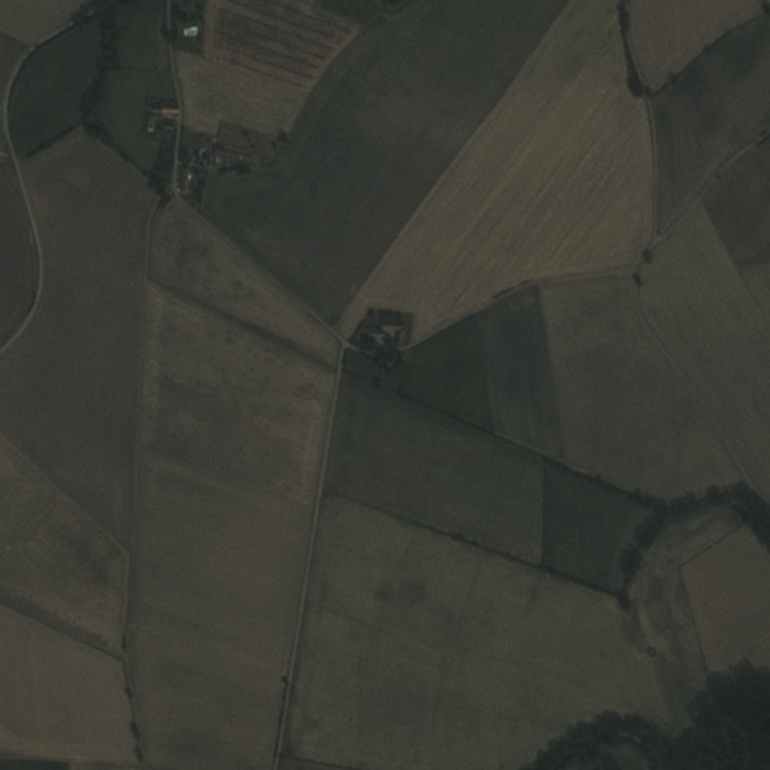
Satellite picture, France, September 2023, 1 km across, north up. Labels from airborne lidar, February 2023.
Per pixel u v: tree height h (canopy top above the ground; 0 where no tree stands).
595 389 0
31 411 0
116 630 0
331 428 0
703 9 0
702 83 0
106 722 0
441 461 0
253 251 0
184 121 0
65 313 0
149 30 0
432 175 0
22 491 0
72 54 0
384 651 0
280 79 0
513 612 0
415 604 0
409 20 0
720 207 0
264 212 0
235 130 0
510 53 0
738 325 0
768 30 0
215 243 0
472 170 0
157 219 0
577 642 0
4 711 0
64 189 0
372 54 0
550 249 0
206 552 0
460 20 0
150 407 0
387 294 0
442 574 0
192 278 0
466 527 0
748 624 0
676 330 0
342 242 0
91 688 0
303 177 0
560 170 0
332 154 0
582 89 0
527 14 0
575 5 0
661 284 0
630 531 0
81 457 0
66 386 0
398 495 0
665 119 0
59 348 0
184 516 0
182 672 0
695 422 0
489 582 0
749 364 0
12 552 0
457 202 0
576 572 0
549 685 0
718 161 0
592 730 15
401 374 0
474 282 0
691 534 0
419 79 0
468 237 0
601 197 0
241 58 0
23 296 0
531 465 0
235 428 0
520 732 0
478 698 0
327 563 0
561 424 0
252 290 0
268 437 0
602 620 0
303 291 0
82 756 0
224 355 0
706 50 8
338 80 0
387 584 0
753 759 16
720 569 0
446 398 0
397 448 0
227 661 0
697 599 0
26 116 0
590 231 0
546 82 0
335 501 0
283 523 0
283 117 0
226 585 0
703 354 0
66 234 0
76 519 0
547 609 0
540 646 0
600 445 0
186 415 0
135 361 0
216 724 0
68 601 0
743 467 0
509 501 0
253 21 0
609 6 0
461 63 0
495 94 0
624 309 0
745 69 0
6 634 0
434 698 0
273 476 0
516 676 0
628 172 0
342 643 0
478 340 0
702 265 0
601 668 0
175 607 0
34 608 0
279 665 0
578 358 0
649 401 0
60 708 0
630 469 0
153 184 8
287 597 0
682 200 0
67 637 0
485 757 0
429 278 0
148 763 0
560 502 0
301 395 0
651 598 0
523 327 0
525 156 0
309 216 0
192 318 0
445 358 0
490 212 0
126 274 0
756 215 0
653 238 0
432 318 0
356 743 0
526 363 0
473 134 0
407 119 0
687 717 0
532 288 0
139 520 0
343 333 0
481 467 0
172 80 0
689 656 0
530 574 0
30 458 0
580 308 0
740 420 0
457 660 0
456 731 0
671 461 0
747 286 0
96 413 0
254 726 0
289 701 0
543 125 0
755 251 0
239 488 0
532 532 0
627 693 0
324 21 0
